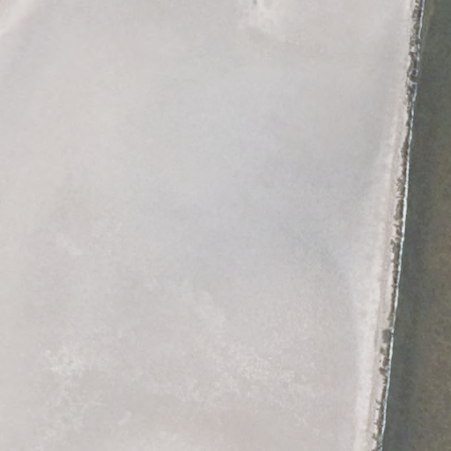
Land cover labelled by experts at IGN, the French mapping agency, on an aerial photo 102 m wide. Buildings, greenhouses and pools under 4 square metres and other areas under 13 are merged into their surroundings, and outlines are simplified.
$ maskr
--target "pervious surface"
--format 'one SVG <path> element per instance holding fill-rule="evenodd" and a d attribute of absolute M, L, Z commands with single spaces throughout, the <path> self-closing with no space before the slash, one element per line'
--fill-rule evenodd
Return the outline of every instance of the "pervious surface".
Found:
<path fill-rule="evenodd" d="M 407 136 L 409 109 L 409 42 L 414 28 L 412 12 L 416 9 L 416 0 L 0 0 L 0 451 L 373 451 L 377 446 L 377 419 L 384 388 L 381 366 L 384 363 L 384 356 L 381 349 L 386 347 L 386 342 L 382 335 L 384 329 L 388 329 L 391 312 L 396 206 L 400 196 L 398 180 L 402 178 L 402 150 Z"/>

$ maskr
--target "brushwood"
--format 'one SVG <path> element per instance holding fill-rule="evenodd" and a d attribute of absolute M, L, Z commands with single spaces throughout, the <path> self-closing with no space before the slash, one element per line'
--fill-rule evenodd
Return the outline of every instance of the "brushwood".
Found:
<path fill-rule="evenodd" d="M 407 136 L 402 150 L 402 178 L 398 180 L 400 196 L 396 206 L 391 312 L 388 329 L 384 329 L 382 335 L 386 342 L 386 347 L 381 349 L 384 356 L 384 363 L 381 366 L 384 388 L 377 419 L 377 446 L 373 451 L 382 451 L 409 201 L 412 152 L 410 118 L 414 116 L 414 104 L 418 99 L 416 81 L 421 70 L 419 49 L 425 46 L 425 37 L 421 32 L 425 21 L 426 0 L 416 0 L 416 9 L 412 12 L 414 28 L 409 42 L 409 109 Z"/>

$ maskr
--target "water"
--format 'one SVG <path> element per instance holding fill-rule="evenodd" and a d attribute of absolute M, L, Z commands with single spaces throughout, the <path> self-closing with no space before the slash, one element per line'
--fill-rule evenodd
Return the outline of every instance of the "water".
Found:
<path fill-rule="evenodd" d="M 409 201 L 382 451 L 451 451 L 451 0 L 426 0 L 425 21 L 421 32 L 425 37 L 425 46 L 419 49 L 421 70 L 416 81 L 418 99 L 414 104 L 414 116 L 410 118 L 412 152 Z"/>

